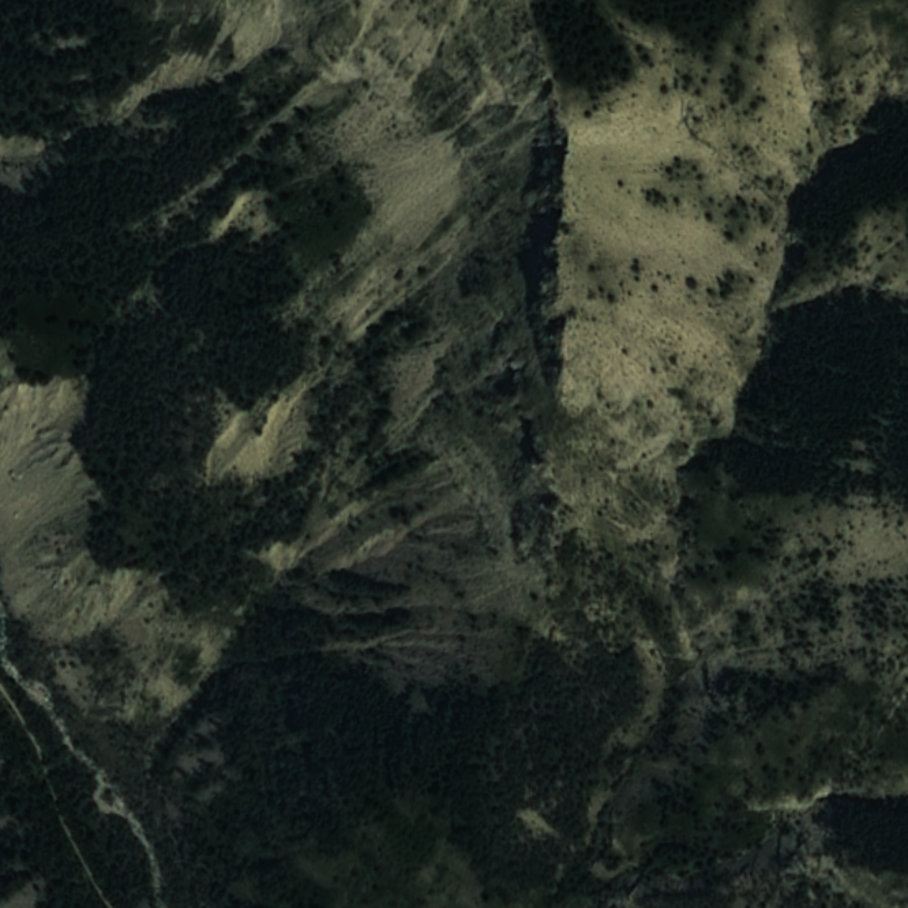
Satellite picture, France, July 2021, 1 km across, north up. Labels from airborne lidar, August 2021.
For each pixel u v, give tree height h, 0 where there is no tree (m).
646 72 0
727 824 12
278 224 6
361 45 0
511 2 0
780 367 9
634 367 0
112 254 22
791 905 10
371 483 9
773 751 0
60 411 0
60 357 0
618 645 8
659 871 11
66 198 27
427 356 0
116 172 18
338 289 0
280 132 21
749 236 0
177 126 7
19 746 8
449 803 18
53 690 12
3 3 9
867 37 0
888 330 13
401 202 0
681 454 0
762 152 0
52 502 0
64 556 0
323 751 7
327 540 0
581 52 17
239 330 9
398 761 18
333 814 21
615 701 17
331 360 0
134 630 0
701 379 0
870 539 0
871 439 8
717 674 0
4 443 0
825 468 9
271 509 10
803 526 0
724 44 0
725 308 0
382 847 7
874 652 6
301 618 21
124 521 20
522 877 12
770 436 13
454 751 11
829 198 17
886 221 0
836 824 8
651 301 0
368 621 18
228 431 0
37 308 0
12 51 25
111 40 19
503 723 9
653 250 0
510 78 0
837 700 0
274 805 16
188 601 16
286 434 0
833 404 14
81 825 14
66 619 0
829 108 11
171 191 14
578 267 0
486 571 0
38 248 20
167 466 17
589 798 10
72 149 23
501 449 0
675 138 0
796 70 0
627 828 0
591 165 0
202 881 16
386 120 0
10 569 0
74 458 0
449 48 0
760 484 8
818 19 0
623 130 0
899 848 20
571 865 8
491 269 0
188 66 0
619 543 0
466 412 0
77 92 17
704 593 0
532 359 0
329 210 13
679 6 13
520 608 0
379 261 0
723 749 0
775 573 0
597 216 0
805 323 10
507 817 8
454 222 0
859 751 7
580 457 0
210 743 26
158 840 7
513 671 0
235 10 0
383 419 16
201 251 14
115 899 13
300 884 9
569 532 7
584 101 0
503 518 0
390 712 18
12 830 12
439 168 0
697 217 0
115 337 20
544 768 9
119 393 22
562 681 9
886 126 10
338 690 21
